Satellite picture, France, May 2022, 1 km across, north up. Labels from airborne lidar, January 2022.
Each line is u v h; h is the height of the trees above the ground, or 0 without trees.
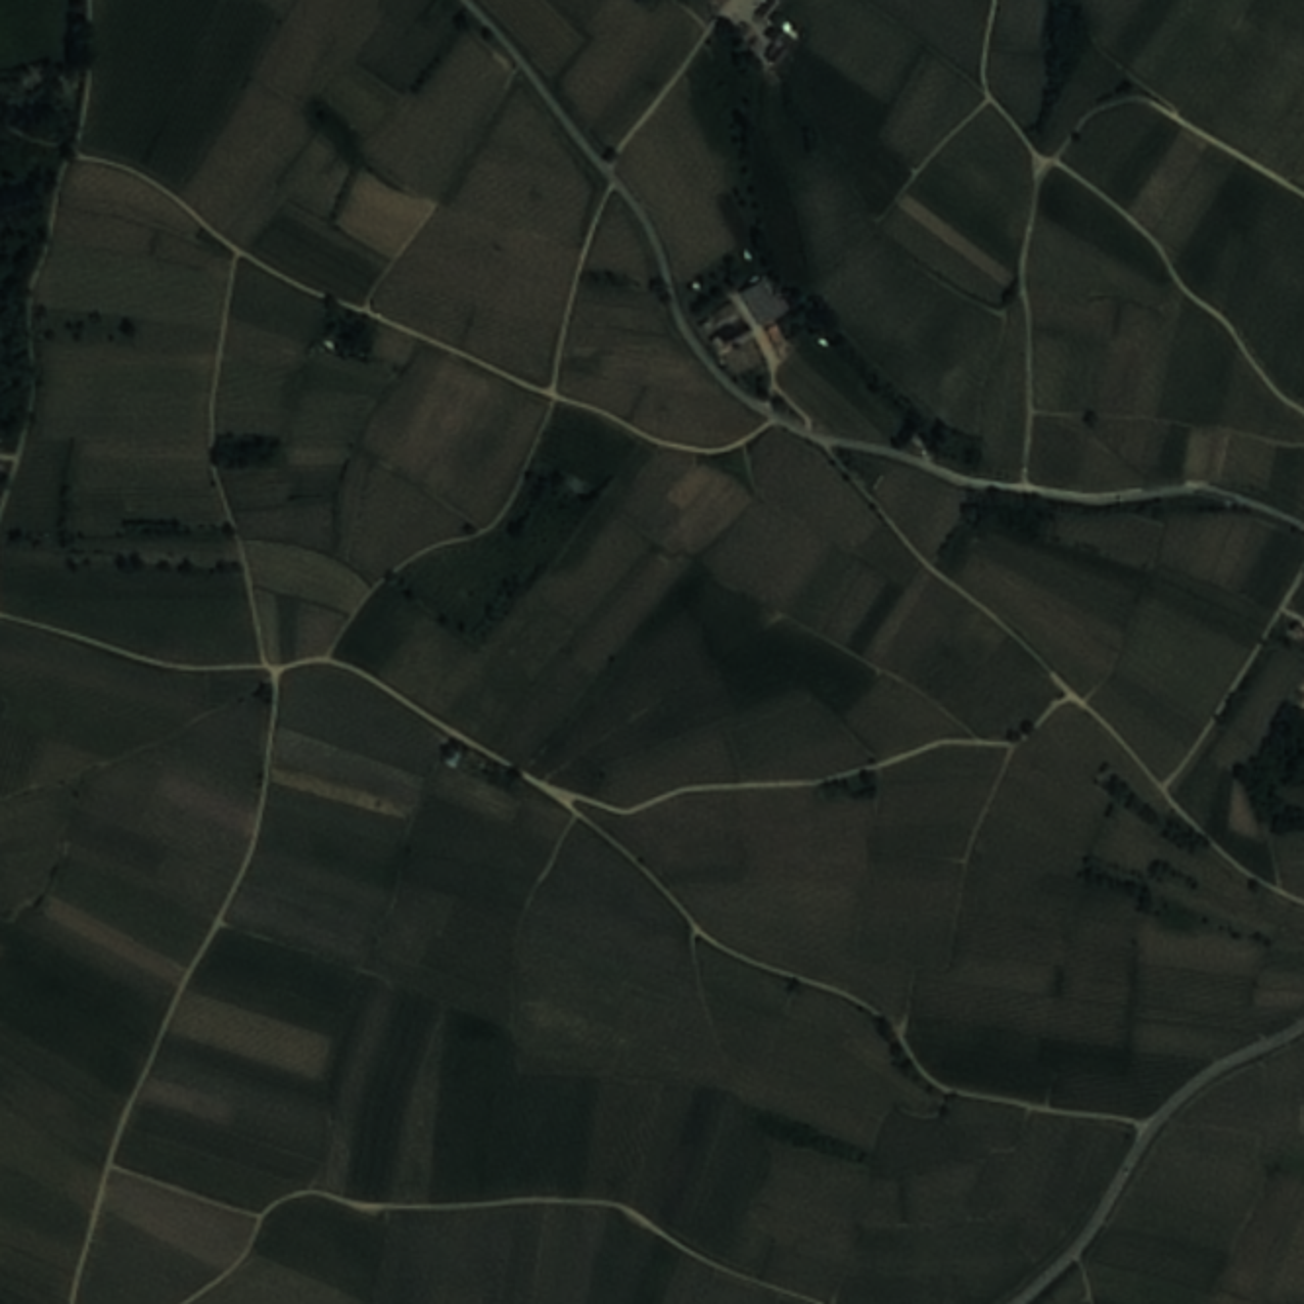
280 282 0
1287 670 0
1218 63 0
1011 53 0
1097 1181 0
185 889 0
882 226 0
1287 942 0
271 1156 0
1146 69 0
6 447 0
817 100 0
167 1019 0
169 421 0
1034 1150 0
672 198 0
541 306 0
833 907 0
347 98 0
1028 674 0
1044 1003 0
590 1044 0
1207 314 0
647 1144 0
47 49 0
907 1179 0
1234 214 0
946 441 12
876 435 0
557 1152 0
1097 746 0
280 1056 0
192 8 0
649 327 0
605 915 0
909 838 0
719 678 0
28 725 0
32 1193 0
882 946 0
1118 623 0
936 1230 0
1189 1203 0
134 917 0
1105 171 0
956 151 0
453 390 0
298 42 0
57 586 0
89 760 0
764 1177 0
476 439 0
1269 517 0
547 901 0
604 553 0
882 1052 0
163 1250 0
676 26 0
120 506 0
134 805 0
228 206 0
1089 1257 0
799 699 0
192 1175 0
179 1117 0
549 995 0
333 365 0
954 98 0
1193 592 0
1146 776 0
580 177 0
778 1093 0
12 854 0
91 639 0
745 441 0
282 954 0
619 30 0
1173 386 0
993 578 0
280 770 0
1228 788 0
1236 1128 0
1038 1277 0
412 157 0
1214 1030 0
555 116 0
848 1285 0
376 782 0
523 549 0
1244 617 0
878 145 0
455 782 0
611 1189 0
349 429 0
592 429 0
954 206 0
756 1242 0
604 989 0
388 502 0
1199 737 0
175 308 0
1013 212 0
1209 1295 0
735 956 0
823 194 0
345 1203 0
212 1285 0
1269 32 0
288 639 0
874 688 0
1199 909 0
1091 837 0
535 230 0
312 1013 0
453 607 0
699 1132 0
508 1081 0
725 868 0
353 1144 0
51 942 0
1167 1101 0
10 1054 0
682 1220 0
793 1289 0
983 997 0
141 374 0
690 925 0
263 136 0
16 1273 0
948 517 0
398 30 0
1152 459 0
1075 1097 0
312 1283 0
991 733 0
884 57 0
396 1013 0
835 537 0
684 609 0
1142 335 0
